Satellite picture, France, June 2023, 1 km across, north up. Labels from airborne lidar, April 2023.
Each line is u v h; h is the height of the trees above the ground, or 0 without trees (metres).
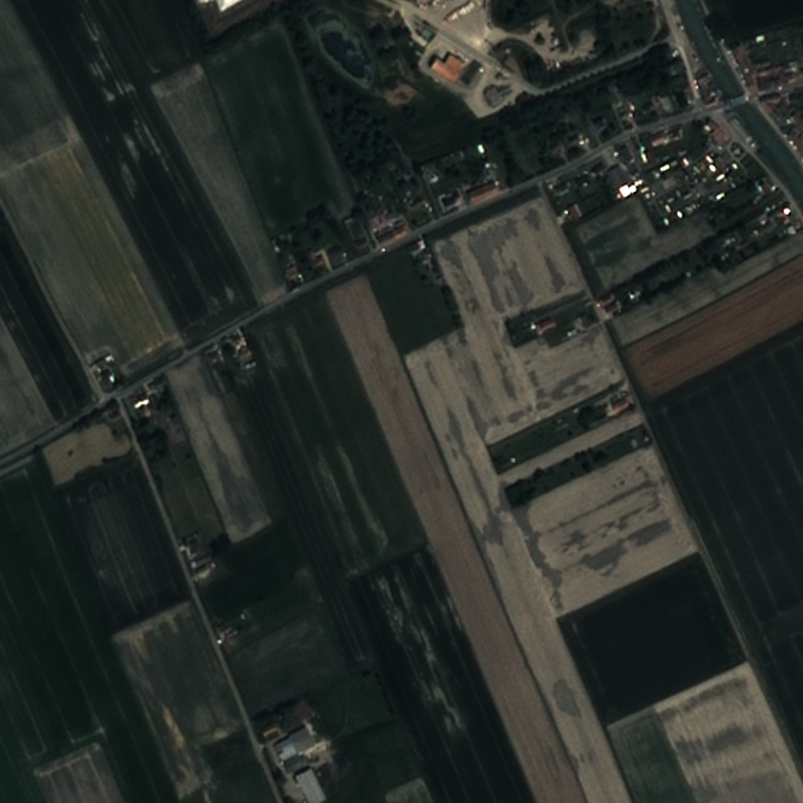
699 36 0
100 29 0
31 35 0
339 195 0
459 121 0
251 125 0
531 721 0
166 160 0
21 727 0
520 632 0
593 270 0
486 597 0
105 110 0
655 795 0
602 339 0
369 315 0
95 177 0
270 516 0
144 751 0
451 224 0
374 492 0
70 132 0
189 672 0
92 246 0
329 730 0
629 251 0
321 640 0
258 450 0
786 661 0
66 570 0
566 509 0
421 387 0
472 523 0
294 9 14
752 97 0
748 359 0
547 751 0
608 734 0
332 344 0
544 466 0
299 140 0
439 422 0
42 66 0
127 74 0
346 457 0
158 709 0
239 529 0
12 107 0
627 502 0
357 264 0
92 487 0
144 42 0
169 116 0
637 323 0
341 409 0
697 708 0
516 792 0
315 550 0
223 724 0
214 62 0
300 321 0
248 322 0
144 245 0
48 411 0
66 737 0
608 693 0
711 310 0
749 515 0
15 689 0
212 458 0
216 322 0
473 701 0
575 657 0
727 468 0
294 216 0
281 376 0
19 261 0
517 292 0
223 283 0
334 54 0
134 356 0
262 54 0
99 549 0
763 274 0
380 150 9
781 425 0
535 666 0
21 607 0
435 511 0
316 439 0
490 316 0
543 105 15
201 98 0
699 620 0
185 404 0
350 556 0
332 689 0
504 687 0
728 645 0
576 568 0
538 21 0
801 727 0
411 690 0
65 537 0
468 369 0
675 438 0
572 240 0
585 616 0
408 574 0
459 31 0
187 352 0
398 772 0
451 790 0
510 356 0
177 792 0
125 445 0
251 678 0
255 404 0
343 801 0
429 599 0
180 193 0
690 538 0
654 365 0
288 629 0
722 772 0
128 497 0
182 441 0
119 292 0
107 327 0
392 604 0
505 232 0
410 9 0
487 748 0
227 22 0
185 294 0
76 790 0
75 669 0
